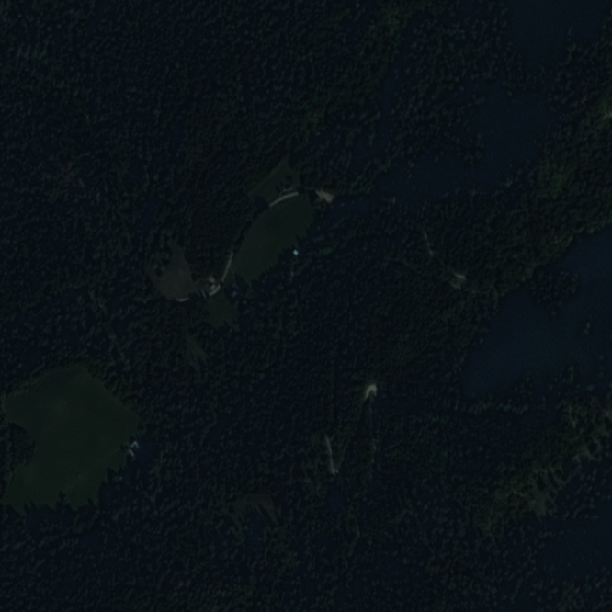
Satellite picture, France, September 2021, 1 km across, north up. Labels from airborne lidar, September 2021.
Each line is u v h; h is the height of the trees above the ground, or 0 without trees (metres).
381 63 16
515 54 20
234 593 28
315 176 18
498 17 27
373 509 10
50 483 0
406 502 31
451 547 29
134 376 16
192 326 7
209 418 28
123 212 7
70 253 14
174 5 28
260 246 0
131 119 21
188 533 14
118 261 12
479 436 16
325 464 12
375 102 13
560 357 6
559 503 8
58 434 0
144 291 14
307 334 11
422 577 18
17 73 20
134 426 0
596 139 18
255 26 29
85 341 28
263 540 31
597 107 26
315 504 10
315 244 12
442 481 10
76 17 27
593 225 14
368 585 13
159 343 15
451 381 13
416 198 9
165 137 17
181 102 21
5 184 30
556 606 8
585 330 18
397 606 11
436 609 21
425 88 22
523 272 36
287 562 7
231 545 16
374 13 19
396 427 19
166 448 29
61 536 31
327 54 13
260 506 0
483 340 7
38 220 21
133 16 21
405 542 8
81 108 15
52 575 23
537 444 13
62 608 14
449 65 22
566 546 11
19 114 24
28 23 34
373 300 19
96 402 0
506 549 6
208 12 22
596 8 10
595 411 8
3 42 17
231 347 19
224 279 0
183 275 0
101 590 16
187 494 17
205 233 22
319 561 22
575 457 37
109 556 27
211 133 24
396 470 15
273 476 14
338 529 14
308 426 21
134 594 12
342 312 22
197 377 15
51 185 14
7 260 13
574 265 0
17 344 17
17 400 0
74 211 11
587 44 16
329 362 17
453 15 9
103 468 0
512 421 10
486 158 16
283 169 0
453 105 28
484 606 9
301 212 0
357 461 14
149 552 24
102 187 8
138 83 21
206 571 12
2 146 19
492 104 17
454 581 8
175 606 19
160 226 20
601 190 37
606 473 22
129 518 7
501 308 8
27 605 25
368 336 21
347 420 25
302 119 23
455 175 18
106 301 16
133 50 23
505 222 15
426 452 11
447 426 13
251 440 20
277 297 25
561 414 6
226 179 25
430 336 15
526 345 0
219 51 22
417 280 19
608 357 9
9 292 19
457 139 24
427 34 18
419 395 15
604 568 23
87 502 0
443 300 15
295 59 20
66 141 11
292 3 29
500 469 17
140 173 20
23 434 13
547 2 20
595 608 28
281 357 16
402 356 23
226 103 26
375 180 10
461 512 7
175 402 15
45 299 7
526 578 30
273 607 11
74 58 22
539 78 21
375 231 19
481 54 32
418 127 19
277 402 13
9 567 26
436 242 19
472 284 18
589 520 26
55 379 0
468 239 21
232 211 17
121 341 35
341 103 18
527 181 23
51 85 19
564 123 22
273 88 23
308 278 12
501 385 8
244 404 13
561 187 14
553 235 20
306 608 7
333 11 27
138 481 17
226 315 0
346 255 20
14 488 0
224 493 8
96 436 0
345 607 14
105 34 26
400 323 24
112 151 18
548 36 18
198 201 23
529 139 12
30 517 0
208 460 26
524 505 11
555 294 14
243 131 24
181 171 27
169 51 20
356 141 10
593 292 12
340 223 15
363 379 12
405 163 17
